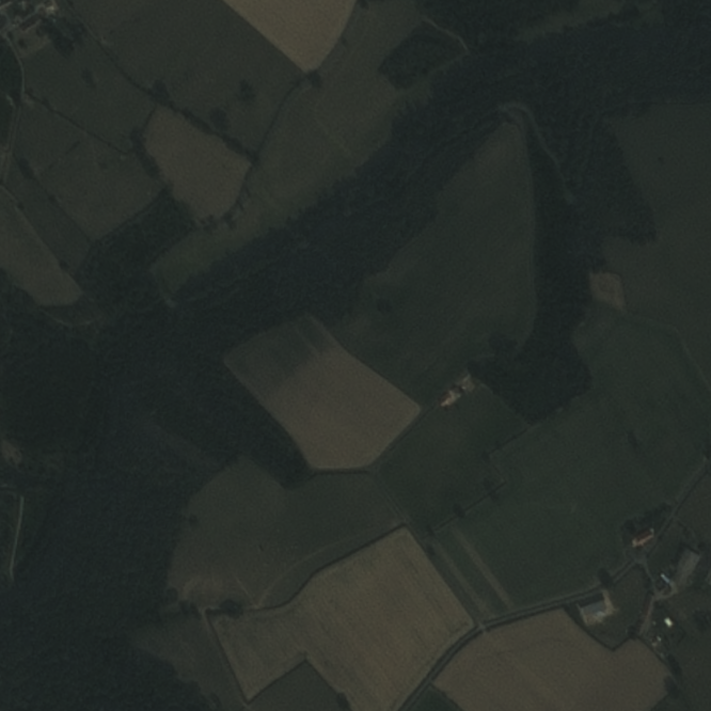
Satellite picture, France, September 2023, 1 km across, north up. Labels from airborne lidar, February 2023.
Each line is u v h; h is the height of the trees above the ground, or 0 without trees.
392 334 0
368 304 0
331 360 0
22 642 26
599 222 13
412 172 13
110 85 0
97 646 20
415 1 9
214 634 0
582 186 11
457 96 15
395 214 17
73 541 23
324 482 0
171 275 0
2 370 15
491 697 0
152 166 17
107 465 13
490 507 0
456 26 21
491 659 0
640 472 0
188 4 0
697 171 0
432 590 0
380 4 0
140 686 23
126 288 8
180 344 9
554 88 25
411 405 0
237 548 0
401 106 0
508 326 0
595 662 0
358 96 0
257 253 21
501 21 13
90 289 14
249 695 0
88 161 0
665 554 0
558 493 0
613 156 13
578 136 22
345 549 0
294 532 0
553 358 8
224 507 0
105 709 28
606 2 0
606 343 0
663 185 0
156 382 7
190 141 0
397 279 0
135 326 10
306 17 0
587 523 0
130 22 0
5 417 8
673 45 22
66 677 23
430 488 0
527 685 0
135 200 0
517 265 0
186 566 0
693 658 0
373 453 0
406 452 0
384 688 0
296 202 0
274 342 0
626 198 12
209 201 0
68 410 12
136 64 0
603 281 0
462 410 0
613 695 0
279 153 0
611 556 0
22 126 0
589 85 15
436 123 10
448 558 0
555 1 10
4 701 23
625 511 0
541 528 0
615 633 0
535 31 0
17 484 27
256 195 0
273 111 0
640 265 0
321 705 0
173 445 0
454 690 0
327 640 0
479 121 11
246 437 9
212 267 0
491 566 0
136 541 21
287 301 16
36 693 21
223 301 6
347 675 0
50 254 0
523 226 0
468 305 0
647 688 0
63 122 0
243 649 0
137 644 0
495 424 0
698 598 0
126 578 17
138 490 9
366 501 0
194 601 0
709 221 0
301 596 0
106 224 0
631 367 0
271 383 0
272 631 0
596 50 20
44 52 0
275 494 0
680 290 0
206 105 0
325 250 14
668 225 0
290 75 0
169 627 0
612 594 0
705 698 0
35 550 6
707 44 28
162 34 0
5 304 9
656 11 0
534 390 0
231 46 0
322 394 0
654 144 0
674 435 0
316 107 0
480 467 0
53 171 0
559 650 0
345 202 22
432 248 0
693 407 0
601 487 0
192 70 0
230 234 0
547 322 7
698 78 19
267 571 0
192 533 0
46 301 0
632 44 29
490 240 0
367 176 19
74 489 21
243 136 0
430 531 10
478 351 0
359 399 0
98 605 18
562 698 0
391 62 12
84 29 12
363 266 10
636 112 12
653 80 20
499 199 0
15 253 0
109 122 0
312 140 0
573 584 0
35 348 12
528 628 0
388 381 0
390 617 0
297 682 0
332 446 0
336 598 0
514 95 8
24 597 27
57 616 22
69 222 0
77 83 0
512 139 0
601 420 0
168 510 13
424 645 0
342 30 0
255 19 0
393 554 0
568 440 0
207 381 8
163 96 15
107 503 22
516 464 0
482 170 0
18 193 0
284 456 7
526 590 0
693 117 0
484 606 0
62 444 6
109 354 8
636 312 0
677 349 0
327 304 19
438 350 0
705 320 0
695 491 0
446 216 0
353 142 0
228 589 0
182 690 15
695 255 0
